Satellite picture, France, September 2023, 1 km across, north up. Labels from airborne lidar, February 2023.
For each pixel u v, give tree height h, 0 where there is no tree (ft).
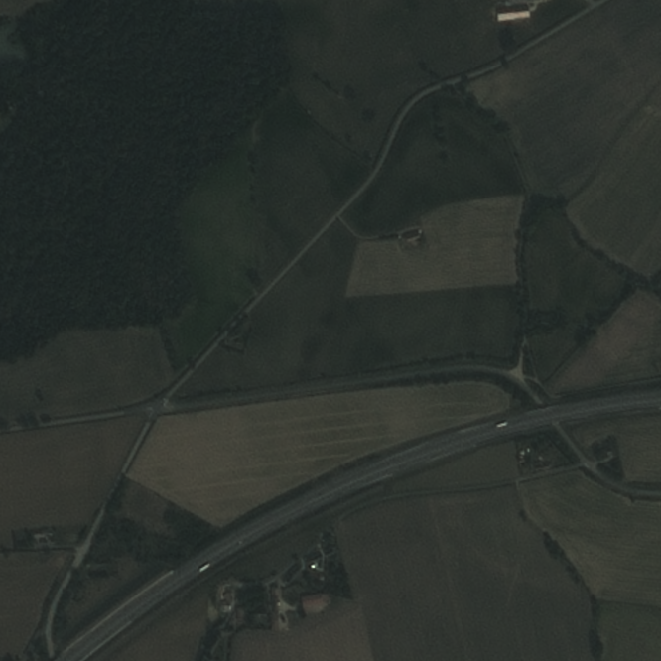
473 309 0
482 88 0
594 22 0
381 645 0
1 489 0
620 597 0
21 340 50
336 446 0
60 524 0
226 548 0
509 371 0
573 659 0
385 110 0
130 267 74
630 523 0
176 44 97
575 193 0
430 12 0
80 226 43
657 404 0
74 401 0
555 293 0
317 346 0
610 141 0
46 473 0
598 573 0
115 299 62
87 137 67
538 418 0
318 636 0
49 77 62
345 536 0
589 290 0
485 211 0
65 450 0
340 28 0
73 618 0
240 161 0
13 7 0
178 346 0
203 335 0
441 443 0
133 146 76
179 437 0
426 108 0
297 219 0
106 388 0
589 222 0
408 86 0
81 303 47
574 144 0
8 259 58
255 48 95
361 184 0
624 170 0
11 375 0
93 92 77
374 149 0
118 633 0
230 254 0
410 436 0
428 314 0
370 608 0
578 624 0
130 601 0
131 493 0
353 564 0
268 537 0
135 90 80
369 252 0
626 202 0
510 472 0
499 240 0
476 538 0
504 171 0
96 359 0
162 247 56
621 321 0
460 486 0
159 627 0
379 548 0
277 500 0
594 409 0
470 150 0
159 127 73
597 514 0
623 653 0
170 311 53
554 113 0
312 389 0
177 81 93
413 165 0
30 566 0
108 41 65
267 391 0
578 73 0
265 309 0
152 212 52
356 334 0
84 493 0
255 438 0
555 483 0
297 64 0
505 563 0
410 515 0
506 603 0
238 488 0
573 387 0
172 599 0
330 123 0
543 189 0
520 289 27
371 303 0
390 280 0
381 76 0
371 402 0
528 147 0
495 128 33
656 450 0
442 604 0
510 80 0
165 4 82
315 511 0
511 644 0
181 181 73
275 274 0
